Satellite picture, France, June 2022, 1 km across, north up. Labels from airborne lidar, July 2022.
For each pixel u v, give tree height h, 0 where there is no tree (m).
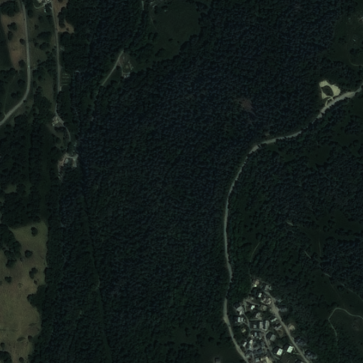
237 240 16
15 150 23
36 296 7
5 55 0
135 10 25
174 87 28
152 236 14
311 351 8
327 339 24
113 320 15
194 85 27
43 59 0
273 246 15
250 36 27
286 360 0
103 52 11
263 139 21
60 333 25
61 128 13
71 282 16
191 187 14
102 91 13
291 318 11
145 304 20
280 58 19
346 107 11
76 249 19
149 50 19
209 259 21
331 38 21
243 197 15
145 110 23
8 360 20
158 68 26
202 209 27
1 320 0
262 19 18
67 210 18
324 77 7
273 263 16
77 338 20
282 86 21
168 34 0
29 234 0
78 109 16
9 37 11
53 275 21
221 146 16
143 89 20
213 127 10
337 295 0
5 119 0
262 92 18
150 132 8
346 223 0
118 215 15
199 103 9
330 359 20
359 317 0
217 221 28
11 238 20
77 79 25
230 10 8
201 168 6
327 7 9
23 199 15
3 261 0
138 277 9
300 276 10
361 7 0
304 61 27
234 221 15
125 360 26
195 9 0
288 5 24
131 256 18
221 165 28
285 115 16
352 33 0
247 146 25
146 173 12
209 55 19
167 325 15
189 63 25
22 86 18
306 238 20
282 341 8
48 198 10
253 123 7
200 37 8
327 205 19
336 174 21
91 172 27
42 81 15
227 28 16
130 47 19
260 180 22
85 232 26
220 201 18
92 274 22
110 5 35
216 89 32
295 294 19
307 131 14
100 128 16
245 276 10
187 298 17
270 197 17
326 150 0
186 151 23
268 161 18
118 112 24
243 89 30
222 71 32
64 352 20
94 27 17
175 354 16
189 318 18
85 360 24
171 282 20
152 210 20
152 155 18
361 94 7
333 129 14
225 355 0
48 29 0
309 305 7
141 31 20
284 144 14
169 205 25
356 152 0
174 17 0
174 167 30
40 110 16
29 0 18
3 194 20
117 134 9
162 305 21
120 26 32
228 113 26
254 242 0
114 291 30
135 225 18
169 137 26
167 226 15
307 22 16
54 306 21
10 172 13
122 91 20
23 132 25
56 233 24
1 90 18
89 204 21
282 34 26
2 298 0
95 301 6
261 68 20
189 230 19
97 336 16
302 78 27
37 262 0
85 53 17
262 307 0
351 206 23
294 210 22
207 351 0
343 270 25
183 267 25
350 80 22
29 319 0
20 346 0
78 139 27
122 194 24
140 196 23
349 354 17
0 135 0
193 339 0
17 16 0
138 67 0
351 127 21
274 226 9
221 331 18
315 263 25
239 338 7
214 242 15
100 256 19
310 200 17
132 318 23
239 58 33
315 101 23
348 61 0
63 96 22
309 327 15
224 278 21
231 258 12
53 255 18
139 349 11
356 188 17
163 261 22
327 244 8
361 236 23
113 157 27
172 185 20
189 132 28
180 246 22
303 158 18
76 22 8
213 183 31
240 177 11
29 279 0
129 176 18
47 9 16
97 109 19
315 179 22
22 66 16
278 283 19
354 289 17
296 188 25
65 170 16
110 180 21
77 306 18
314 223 17
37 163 20
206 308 16
